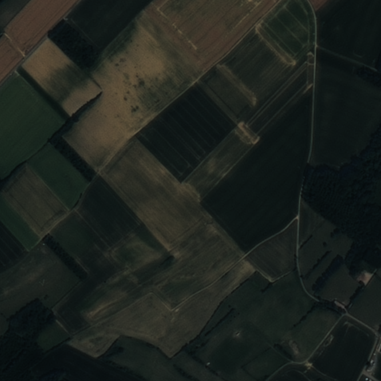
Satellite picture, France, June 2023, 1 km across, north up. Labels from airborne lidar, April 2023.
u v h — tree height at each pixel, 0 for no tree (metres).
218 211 0
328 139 0
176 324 0
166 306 0
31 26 0
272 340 0
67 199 0
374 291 0
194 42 0
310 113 0
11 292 0
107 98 0
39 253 0
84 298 0
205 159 0
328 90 0
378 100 0
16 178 0
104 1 0
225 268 0
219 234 0
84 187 0
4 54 0
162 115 0
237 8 0
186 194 0
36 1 0
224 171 0
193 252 0
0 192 0
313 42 0
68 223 0
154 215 0
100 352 0
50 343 0
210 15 0
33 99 0
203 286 0
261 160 0
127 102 0
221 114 0
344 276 0
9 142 0
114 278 0
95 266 0
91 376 0
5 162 0
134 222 0
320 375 0
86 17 0
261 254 0
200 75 0
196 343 0
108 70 0
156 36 0
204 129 0
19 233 0
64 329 0
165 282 0
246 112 0
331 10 0
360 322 0
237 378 0
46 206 0
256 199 0
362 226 21
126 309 0
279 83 0
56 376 19
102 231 0
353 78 0
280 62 0
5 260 0
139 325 0
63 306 0
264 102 0
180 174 0
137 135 0
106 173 0
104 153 0
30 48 0
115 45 0
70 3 0
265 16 0
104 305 0
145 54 0
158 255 0
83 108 7
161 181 0
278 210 0
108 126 0
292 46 0
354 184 22
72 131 0
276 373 0
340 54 0
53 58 0
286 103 0
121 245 0
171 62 0
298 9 0
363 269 0
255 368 0
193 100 0
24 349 15
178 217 0
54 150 0
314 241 0
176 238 0
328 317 0
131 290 0
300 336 0
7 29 0
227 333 0
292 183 0
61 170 0
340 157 0
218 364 0
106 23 0
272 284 9
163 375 0
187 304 0
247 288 0
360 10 0
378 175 21
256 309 0
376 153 24
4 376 13
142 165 0
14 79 0
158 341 0
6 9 0
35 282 0
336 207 20
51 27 0
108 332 0
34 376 7
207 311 0
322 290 0
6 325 0
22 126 0
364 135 0
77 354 0
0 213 0
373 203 20
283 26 0
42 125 0
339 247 0
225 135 0
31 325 18
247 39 0
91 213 0
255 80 0
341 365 0
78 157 9
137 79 0
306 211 0
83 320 0
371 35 0
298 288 0
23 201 0
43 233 0
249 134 0
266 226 0
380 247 0
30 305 11
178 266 0
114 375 0
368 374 0
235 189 0
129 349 0
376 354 0
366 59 0
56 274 0
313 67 0
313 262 0
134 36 0
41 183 0
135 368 0
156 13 0
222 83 0
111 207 0
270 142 0
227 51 0
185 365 0
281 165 0
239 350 0
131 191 0
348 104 0
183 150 0
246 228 0
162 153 0
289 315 0
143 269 0
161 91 0
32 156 0
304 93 0
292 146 0
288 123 0
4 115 0
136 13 0
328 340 0
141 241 0
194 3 0
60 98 0
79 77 0
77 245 0
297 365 0
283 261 0
